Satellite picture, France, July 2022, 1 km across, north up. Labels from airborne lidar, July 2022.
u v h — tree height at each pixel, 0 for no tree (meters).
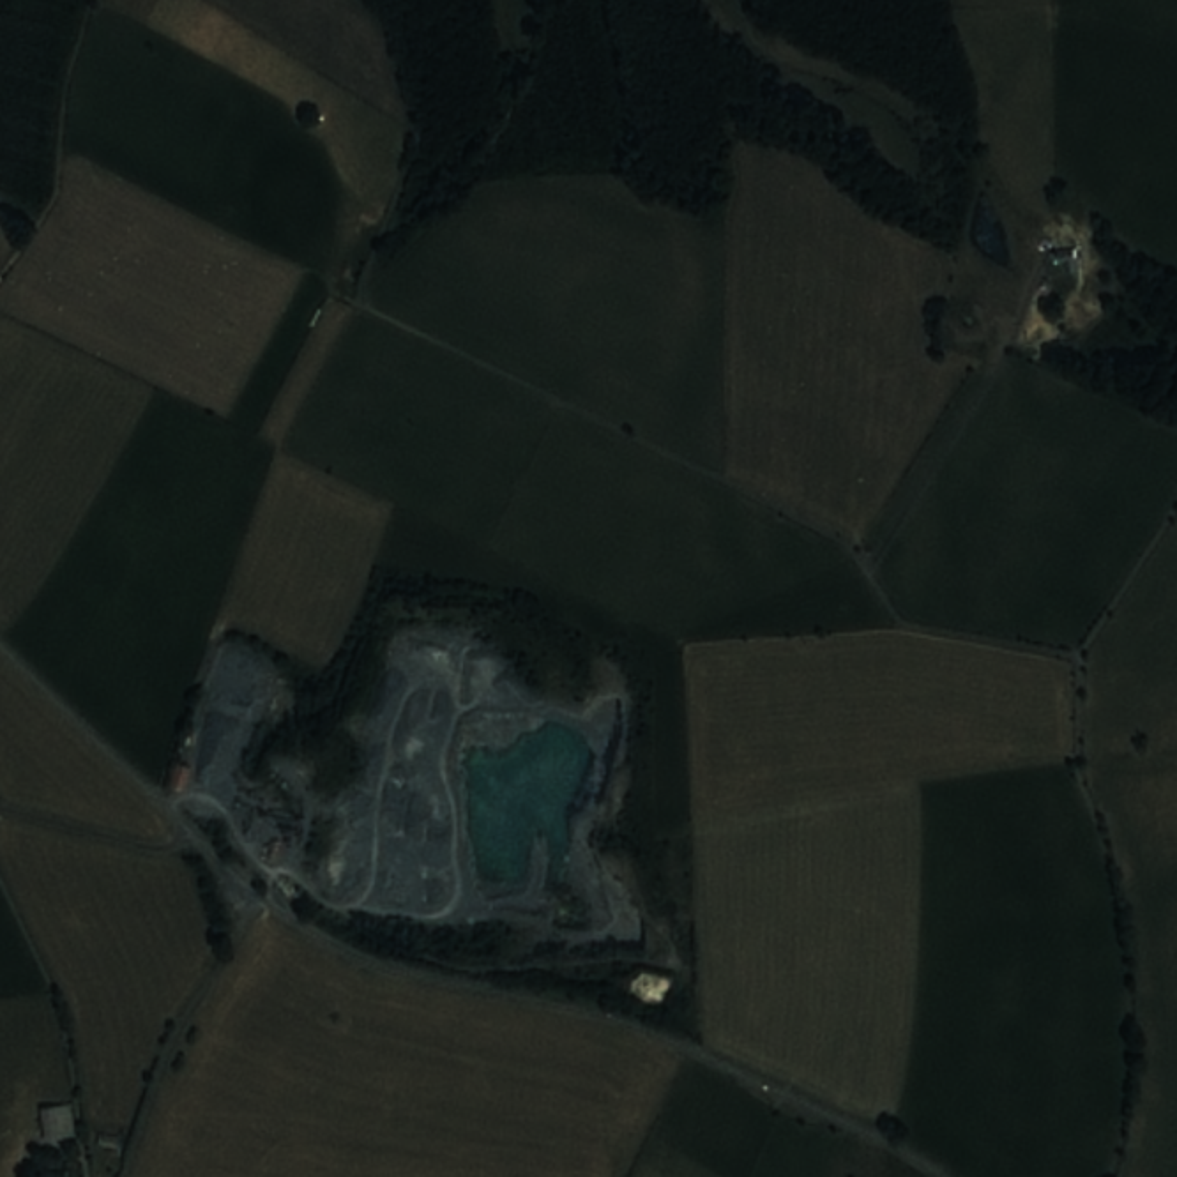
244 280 0
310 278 0
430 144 21
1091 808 0
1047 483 0
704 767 0
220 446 0
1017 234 0
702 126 23
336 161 0
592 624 0
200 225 0
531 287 0
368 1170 0
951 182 6
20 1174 16
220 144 0
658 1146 0
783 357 0
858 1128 0
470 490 0
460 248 0
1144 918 0
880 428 0
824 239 0
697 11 28
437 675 0
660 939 0
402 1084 0
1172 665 0
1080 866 0
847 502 0
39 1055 0
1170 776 0
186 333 0
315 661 0
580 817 0
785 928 0
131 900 0
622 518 0
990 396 0
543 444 0
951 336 0
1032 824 0
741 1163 0
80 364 0
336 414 0
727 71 27
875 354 0
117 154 0
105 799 0
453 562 0
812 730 0
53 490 0
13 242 20
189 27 0
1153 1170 0
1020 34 0
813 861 0
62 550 0
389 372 0
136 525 0
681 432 0
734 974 0
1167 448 0
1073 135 0
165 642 0
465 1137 0
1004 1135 0
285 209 0
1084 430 0
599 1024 0
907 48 24
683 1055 0
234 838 0
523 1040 0
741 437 0
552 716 0
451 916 0
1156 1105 0
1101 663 0
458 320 0
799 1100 0
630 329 0
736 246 0
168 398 0
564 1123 0
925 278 0
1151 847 0
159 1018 0
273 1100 0
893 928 0
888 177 25
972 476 0
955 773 0
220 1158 0
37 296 0
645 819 0
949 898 0
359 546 0
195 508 0
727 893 0
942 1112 0
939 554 0
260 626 0
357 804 0
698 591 0
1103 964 0
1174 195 0
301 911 19
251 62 0
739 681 0
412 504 0
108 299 0
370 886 0
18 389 0
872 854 0
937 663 0
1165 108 0
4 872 0
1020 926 0
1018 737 0
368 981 0
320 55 0
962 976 0
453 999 0
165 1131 0
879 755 0
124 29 0
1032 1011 0
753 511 0
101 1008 0
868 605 0
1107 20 0
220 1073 0
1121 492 0
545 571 0
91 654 0
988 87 0
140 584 0
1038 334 0
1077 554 0
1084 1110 0
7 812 0
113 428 0
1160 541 0
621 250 0
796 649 0
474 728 0
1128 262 16
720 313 0
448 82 21
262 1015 0
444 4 22
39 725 0
